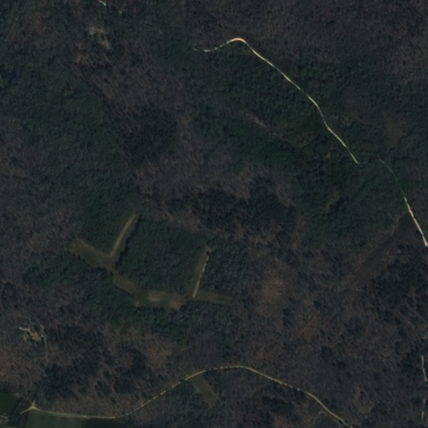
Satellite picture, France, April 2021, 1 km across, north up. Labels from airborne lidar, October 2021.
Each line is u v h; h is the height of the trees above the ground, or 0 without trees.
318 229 20
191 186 12
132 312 24
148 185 10
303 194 21
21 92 21
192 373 13
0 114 20
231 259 13
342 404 8
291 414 21
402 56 9
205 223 21
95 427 0
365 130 11
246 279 14
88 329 14
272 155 18
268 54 7
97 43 10
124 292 6
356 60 7
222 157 16
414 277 17
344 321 10
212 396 0
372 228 20
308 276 19
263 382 9
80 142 20
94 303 23
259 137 15
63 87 18
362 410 16
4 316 15
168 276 17
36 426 0
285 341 8
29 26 10
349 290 7
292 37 11
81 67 10
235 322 6
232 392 9
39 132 22
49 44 18
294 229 22
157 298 0
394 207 26
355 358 6
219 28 15
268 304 0
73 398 25
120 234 12
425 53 13
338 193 15
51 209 14
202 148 17
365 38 11
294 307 21
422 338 13
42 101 18
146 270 15
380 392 16
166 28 19
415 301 15
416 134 10
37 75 20
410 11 11
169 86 16
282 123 22
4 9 20
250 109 19
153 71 14
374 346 12
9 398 0
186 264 18
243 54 19
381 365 16
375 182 24
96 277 21
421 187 15
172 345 19
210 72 19
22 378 13
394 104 11
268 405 23
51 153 20
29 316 13
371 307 14
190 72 18
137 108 15
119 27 19
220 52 19
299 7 17
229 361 19
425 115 7
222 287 14
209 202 23
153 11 16
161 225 18
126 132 18
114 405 19
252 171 13
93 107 20
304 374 15
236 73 10
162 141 27
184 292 17
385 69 9
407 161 17
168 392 13
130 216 20
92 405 14
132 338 20
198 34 16
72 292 20
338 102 9
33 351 7
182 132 22
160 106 15
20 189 23
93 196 20
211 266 9
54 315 10
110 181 16
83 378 28
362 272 0
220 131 14
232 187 15
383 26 9
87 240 19
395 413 18
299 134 10
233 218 21
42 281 22
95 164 22
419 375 19
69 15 24
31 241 21
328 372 16
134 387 16
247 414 7
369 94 14
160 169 10
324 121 12
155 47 23
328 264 21
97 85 11
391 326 22
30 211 21
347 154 17
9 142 18
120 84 16
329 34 6
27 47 11
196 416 19
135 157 27
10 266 19
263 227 27
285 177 16
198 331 11
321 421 0
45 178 21
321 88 10
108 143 22
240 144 17
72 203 20
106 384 19
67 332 21
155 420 16
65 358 13
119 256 0
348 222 18
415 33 10
